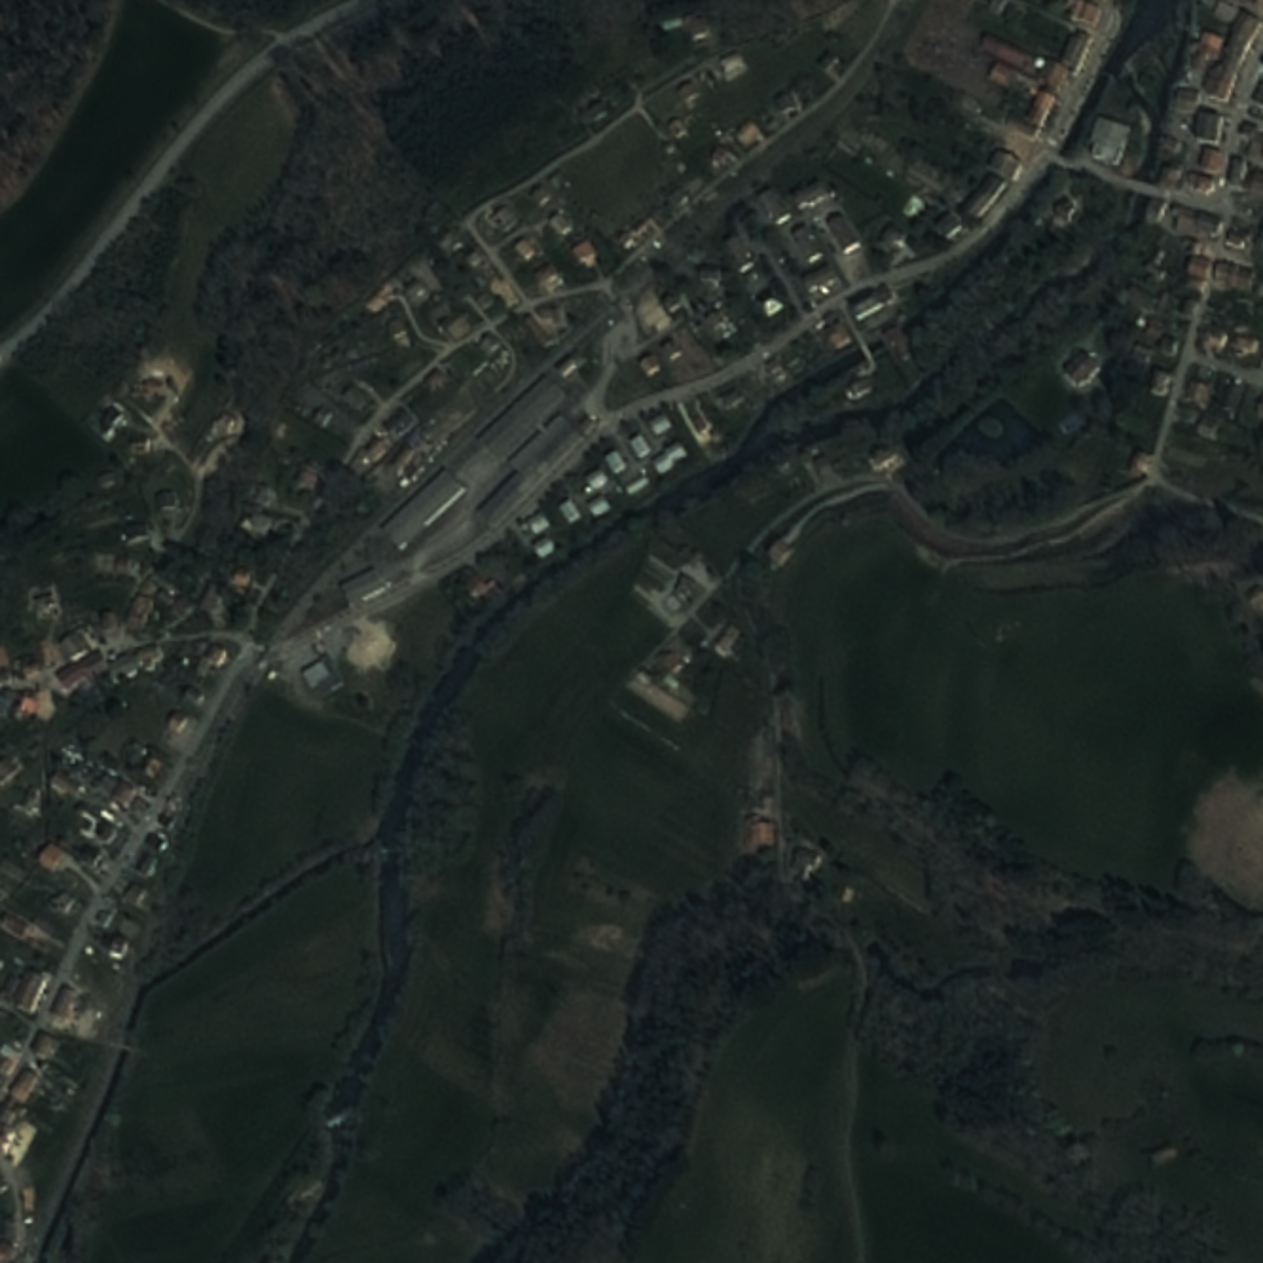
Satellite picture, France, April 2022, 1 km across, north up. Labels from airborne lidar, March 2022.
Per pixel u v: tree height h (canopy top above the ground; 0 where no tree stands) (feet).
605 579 0
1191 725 0
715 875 0
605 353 0
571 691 0
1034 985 71
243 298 116
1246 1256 0
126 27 0
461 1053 0
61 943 0
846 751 0
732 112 0
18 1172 0
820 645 0
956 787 53
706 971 60
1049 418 0
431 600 0
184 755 0
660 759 0
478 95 93
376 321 29
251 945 0
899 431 70
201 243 0
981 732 0
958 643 0
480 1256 0
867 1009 22
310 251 79
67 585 0
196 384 0
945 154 0
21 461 0
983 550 0
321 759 0
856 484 0
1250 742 0
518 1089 0
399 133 133
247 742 0
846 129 0
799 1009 0
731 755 0
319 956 0
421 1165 0
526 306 0
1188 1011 0
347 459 0
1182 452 0
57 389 0
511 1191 0
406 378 0
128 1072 0
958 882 73
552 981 0
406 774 0
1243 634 33
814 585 0
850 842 0
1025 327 48
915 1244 0
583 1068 0
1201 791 0
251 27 64
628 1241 82
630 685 0
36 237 0
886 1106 0
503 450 0
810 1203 40
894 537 0
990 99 0
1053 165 0
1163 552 68
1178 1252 62
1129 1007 0
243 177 0
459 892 0
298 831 0
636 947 0
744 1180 0
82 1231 97
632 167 0
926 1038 59
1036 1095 47
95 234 0
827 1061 0
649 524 46
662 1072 58
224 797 0
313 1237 35
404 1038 0
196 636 0
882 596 0
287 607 48
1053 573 0
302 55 63
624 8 100
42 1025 0
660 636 0
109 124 0
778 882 71
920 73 0
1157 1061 0
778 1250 0
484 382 0
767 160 0
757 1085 0
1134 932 73
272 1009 0
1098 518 0
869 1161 0
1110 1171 0
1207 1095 0
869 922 0
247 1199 0
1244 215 0
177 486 0
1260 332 0
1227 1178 0
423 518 0
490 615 53
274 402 102
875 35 0
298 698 0
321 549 43
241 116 0
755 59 0
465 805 91
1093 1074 0
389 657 0
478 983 0
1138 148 40
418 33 47
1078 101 0
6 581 87
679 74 0
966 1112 81
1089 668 0
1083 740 0
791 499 24
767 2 94
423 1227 0
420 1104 0
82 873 0
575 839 0
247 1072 0
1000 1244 0
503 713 0
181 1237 0
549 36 96
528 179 0
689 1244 0
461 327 0
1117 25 0
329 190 84
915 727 0
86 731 45
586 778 0
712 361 0
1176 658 0
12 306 0
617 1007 0
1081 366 0
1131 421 69
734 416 0
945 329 71
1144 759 0
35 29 80
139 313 65
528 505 0
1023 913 82
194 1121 0
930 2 0
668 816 0
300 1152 0
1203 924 86
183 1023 0
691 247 19
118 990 0
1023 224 52
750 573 55
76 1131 0
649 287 0
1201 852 0
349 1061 46
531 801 41
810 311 22
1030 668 0
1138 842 0
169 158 0
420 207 43
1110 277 73
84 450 0
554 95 78
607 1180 98
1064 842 0
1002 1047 35
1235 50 0
